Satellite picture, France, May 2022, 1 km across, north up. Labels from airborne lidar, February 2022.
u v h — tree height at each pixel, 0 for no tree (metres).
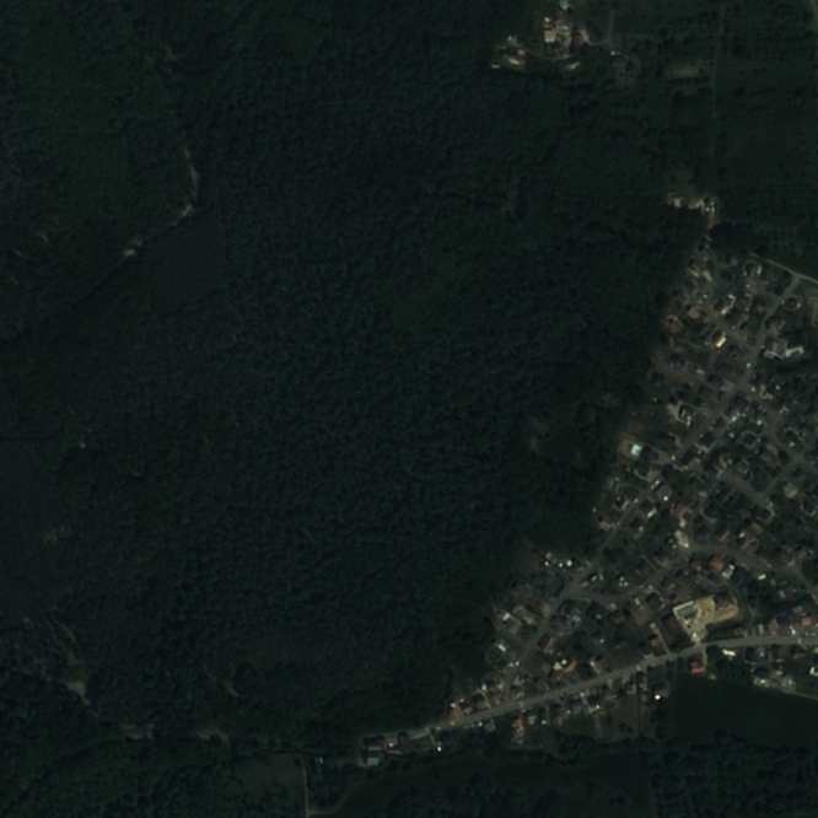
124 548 18
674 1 0
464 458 15
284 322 27
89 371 24
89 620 30
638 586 0
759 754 15
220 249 15
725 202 8
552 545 23
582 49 7
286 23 27
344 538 28
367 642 19
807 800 15
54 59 29
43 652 18
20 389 23
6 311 25
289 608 16
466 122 27
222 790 18
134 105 30
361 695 18
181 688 28
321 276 25
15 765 27
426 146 25
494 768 0
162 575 21
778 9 6
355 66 14
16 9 27
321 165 27
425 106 22
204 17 30
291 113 14
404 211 26
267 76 28
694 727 0
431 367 28
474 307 22
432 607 23
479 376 21
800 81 0
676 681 0
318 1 25
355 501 25
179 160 26
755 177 0
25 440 17
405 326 16
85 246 27
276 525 23
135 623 26
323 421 11
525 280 15
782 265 0
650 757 17
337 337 14
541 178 23
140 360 23
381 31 28
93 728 28
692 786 20
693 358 0
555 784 0
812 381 0
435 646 21
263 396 25
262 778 0
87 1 30
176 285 16
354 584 21
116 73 29
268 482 27
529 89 25
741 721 0
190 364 24
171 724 27
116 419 23
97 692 30
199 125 28
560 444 0
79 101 29
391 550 21
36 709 32
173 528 30
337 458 24
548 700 0
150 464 23
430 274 22
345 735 27
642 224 29
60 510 18
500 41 9
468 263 14
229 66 26
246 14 27
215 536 30
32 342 25
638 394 20
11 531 21
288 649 14
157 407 24
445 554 22
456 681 0
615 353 15
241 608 16
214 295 25
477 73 28
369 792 0
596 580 0
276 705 19
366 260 12
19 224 21
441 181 27
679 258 15
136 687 33
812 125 0
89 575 28
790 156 0
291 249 25
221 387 24
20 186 11
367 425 23
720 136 12
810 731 0
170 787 18
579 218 28
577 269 24
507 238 21
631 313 24
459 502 32
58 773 19
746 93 9
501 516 30
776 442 0
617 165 28
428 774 0
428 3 28
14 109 18
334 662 17
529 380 24
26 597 24
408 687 22
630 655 0
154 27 19
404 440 22
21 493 21
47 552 24
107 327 23
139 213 26
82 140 29
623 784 0
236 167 29
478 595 29
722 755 21
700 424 0
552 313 8
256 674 16
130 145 24
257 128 16
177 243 15
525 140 21
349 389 24
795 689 0
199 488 26
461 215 18
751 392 0
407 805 20
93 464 28
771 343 0
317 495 22
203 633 17
